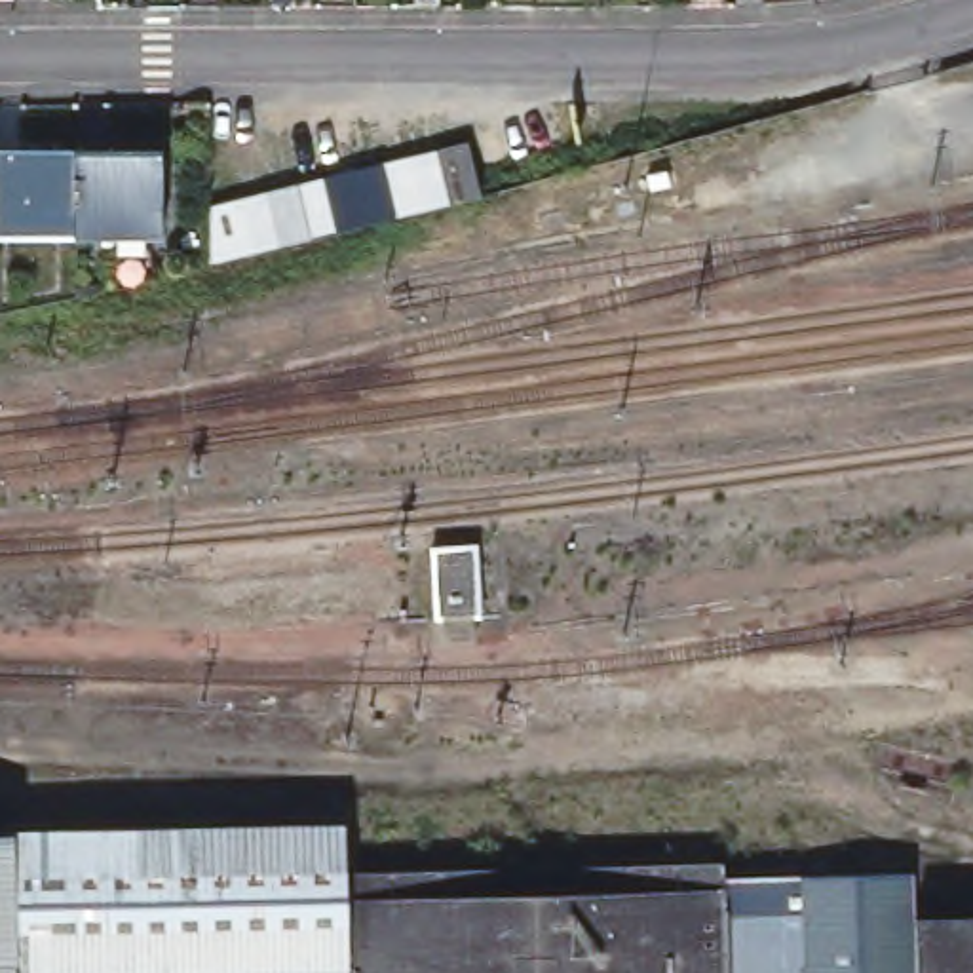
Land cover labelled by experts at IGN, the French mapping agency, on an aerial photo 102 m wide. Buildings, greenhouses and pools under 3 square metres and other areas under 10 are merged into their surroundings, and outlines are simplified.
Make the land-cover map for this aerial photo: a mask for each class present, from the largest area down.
<instances>
[{"label":"pervious surface","instance_id":"1","mask_svg":"<svg viewBox=\"0 0 973 973\"><path fill-rule=\"evenodd\" d=\"M441 544L479 547V642L448 639V627L433 623L429 616V551ZM692 760H779L783 775L775 779H726L745 806L772 813H783L791 802L848 806L863 817V829L870 836H935L958 851V863H973V65L920 84L882 87L874 95L794 110L783 118L749 122L741 129H722L680 144H650L639 156L528 182L521 190H506L494 198L475 236L464 224H433L426 232L422 247L403 251V258H391L372 274L319 281L296 293H274L247 308L220 304L194 312L186 315L182 346L137 342L122 353L99 350L91 357H76L61 342L49 357H30L23 350L0 357V840L19 832L133 829H346L350 821H357L361 779L433 787L525 772H612Z\"/></svg>","mask_w":973,"mask_h":973},{"label":"building","instance_id":"2","mask_svg":"<svg viewBox=\"0 0 973 973\"><path fill-rule=\"evenodd\" d=\"M448 198L464 201L479 194V179L467 160V148L456 144L426 156L391 160L388 167H365L346 175L331 171L327 182H300L217 205L209 209V255L213 262H236L323 239L334 228L357 232L391 220L395 213L414 217L445 209ZM0 243L95 247L114 251L118 258H144L152 247L167 243V232L163 160L148 152L95 156L72 148H8L0 156ZM429 616L433 623L448 627V639L479 642V547L441 544L429 551ZM490 870H346V829H133L19 832L0 840V973H973V920H920L912 874L734 878L722 863H589V874L715 882L718 893L410 897L357 901L350 908V897L357 889L487 878Z\"/></svg>","mask_w":973,"mask_h":973},{"label":"impervious surface","instance_id":"3","mask_svg":"<svg viewBox=\"0 0 973 973\"><path fill-rule=\"evenodd\" d=\"M973 65V0H0V156L8 148H27L19 141V118L27 110H84L87 95L99 99V110H114V99L122 91L163 95L175 118H213L217 186L209 198L217 205L300 182H327L331 171L346 175L365 167H388L391 160L426 156L456 144L467 148V160L479 179L494 160H525L532 148L582 141L585 133L612 129L627 118H680L692 103L787 99L794 110L874 95L882 87L920 84Z\"/></svg>","mask_w":973,"mask_h":973},{"label":"herbaceous vegetation","instance_id":"4","mask_svg":"<svg viewBox=\"0 0 973 973\"><path fill-rule=\"evenodd\" d=\"M175 118L163 95L122 91L114 99V110H99V99L87 95L84 110H27L19 118V141L27 148H72L95 156L148 152L163 160L171 156ZM494 198L479 194L464 201L448 198L445 209L414 217L426 232L433 224H464L475 236ZM194 251L209 255V220L194 232L179 224L167 232V243L152 247L144 258H118V281L133 289L144 281V266L160 270L171 258H190ZM783 775L779 760H692L612 772H525L433 787L361 779L357 821H350L346 829V870H490L487 878L357 889L350 897V908L357 901L410 897L718 893L715 882L589 874V863H722L734 878L912 874L920 920H973V863H958V851L935 836H870L863 829V817L848 806L791 802L783 813H772L745 806L726 779H775Z\"/></svg>","mask_w":973,"mask_h":973},{"label":"brushwood","instance_id":"5","mask_svg":"<svg viewBox=\"0 0 973 973\"><path fill-rule=\"evenodd\" d=\"M794 110L787 99L692 103L680 118H627L612 129L585 133L582 141L532 148L525 160H494L479 179V194L494 198L506 190H521L528 182L639 156L650 144H680L722 129H741L749 122L783 118ZM213 118H175L171 156L163 160L167 232L179 224L194 232L209 220V209L217 205L209 198L217 186ZM426 232L414 217L395 213L391 220L357 232L334 228L323 239L236 262H213L209 255L194 251L190 258H171L160 270L144 266V281L133 289L118 281V258L114 251L95 247L0 243V357L23 350L30 357H49L61 342L76 357H91L99 350L122 353L137 342L182 346L186 315L194 312L220 304L247 308L274 293H296L319 281L372 274L391 258H403V251L422 247Z\"/></svg>","mask_w":973,"mask_h":973}]
</instances>
